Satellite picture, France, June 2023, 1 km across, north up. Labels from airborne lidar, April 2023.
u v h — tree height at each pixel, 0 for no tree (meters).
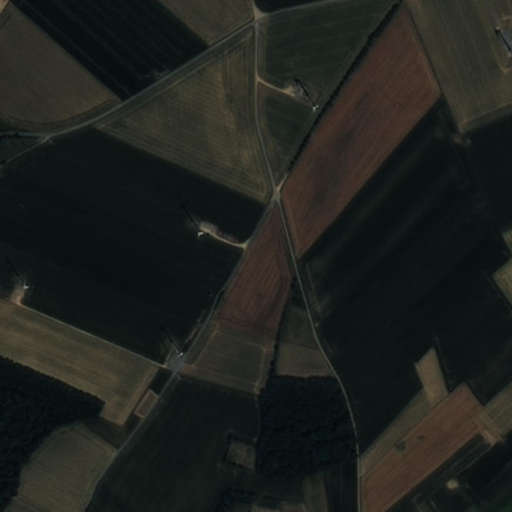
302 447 25
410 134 0
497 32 0
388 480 0
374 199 0
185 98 0
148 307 0
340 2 0
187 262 0
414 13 0
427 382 0
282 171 0
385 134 0
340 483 0
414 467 0
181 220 0
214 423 0
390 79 0
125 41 0
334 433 18
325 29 0
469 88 0
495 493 0
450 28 0
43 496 0
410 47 0
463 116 0
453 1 0
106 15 0
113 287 0
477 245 0
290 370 0
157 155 0
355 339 0
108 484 0
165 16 0
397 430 0
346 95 0
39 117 0
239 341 0
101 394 0
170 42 0
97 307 0
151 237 0
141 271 0
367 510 0
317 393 22
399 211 0
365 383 0
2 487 29
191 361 0
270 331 0
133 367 0
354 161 0
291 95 0
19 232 0
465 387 0
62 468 0
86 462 0
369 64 0
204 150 0
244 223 0
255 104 0
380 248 0
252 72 0
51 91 0
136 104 0
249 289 0
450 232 0
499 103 0
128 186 0
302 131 0
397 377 0
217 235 0
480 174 0
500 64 0
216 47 0
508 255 0
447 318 0
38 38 0
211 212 0
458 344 0
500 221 0
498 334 0
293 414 22
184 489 0
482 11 0
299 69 0
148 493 0
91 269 0
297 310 0
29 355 0
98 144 0
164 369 0
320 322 0
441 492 0
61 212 0
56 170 0
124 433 0
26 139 0
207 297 0
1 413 22
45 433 18
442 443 0
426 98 0
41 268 0
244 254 0
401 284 0
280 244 0
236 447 0
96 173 0
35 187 0
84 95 0
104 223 0
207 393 0
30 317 0
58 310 0
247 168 0
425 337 0
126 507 0
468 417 0
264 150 0
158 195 0
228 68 0
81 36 0
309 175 0
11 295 0
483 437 0
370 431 0
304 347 0
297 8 0
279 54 0
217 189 0
